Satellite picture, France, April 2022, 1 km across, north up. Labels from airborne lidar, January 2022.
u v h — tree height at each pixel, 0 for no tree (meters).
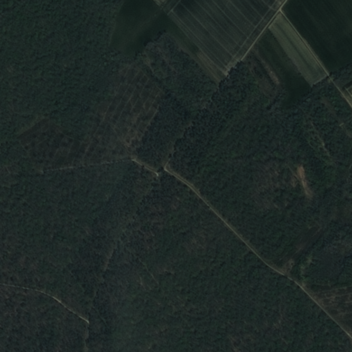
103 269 24
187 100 17
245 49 0
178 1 0
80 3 19
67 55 23
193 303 24
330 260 20
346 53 0
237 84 24
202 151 23
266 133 25
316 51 0
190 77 16
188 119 28
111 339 13
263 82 0
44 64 26
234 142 21
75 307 20
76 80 26
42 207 24
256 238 21
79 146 0
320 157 25
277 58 0
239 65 11
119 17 0
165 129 27
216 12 0
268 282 25
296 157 27
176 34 0
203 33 0
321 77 0
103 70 20
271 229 24
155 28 0
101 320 21
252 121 26
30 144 0
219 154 23
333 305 0
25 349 21
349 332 0
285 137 28
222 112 29
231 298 22
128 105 0
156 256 25
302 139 28
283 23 0
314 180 27
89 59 29
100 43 18
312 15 0
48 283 22
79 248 24
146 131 0
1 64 24
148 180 27
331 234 19
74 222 20
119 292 25
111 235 22
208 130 24
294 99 0
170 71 19
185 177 26
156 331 26
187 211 22
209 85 20
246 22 0
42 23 23
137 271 25
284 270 0
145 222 27
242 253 21
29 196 20
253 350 24
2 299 23
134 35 0
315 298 0
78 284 15
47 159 21
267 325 26
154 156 25
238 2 0
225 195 22
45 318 24
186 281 20
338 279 17
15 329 24
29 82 24
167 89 17
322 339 23
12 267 24
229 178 23
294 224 25
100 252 26
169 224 23
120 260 23
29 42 21
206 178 20
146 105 0
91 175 22
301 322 24
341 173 17
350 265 24
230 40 0
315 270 20
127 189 15
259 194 23
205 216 20
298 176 26
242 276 22
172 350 23
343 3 0
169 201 25
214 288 21
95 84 21
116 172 21
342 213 0
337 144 26
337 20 0
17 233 22
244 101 23
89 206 22
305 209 27
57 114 25
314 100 20
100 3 23
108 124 0
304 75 0
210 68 0
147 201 25
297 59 0
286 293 24
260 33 0
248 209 23
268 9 0
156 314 23
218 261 20
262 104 18
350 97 0
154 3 0
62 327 23
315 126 15
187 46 0
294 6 0
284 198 28
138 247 25
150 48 23
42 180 19
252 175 23
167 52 24
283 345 25
